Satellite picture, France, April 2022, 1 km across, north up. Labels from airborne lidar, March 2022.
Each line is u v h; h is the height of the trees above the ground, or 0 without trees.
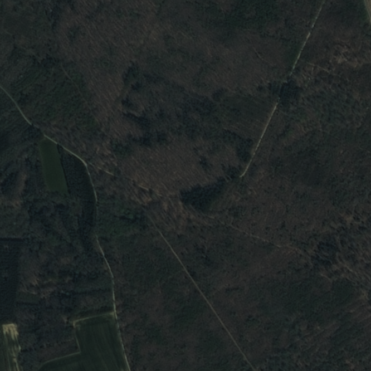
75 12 23
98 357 0
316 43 8
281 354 24
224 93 19
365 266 26
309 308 14
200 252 8
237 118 6
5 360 0
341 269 26
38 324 13
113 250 28
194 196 26
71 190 19
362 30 12
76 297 26
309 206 8
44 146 0
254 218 11
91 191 9
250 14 9
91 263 26
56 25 17
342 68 9
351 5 8
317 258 7
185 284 8
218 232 10
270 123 7
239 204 6
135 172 23
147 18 21
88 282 22
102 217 22
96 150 31
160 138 24
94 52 24
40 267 25
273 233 7
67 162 23
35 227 26
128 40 23
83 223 23
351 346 11
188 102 21
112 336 0
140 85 16
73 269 27
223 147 19
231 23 16
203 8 14
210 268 10
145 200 29
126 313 12
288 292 9
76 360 0
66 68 17
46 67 13
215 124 17
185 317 13
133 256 11
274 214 6
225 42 10
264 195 8
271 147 7
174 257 10
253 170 17
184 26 17
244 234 6
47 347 24
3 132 11
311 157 7
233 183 10
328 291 10
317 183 7
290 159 8
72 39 25
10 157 14
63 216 27
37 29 9
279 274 10
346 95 28
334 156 8
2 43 9
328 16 8
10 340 0
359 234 19
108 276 19
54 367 0
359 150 7
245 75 19
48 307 26
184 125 18
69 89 11
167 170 18
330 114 28
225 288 6
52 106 10
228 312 6
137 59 18
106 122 23
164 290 11
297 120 21
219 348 10
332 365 18
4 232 16
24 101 12
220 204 6
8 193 23
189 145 21
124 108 9
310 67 7
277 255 7
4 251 22
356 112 28
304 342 28
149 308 8
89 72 25
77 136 26
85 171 8
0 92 12
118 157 19
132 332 9
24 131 9
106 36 22
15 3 28
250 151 20
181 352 9
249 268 10
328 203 7
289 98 27
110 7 22
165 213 29
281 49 7
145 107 25
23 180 29
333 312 10
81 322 0
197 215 30
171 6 10
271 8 14
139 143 25
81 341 0
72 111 9
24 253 22
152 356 10
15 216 18
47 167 0
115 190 28
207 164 19
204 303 11
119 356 0
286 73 10
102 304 24
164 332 10
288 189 7
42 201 26
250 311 7
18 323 23
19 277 26
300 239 9
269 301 10
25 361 18
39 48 7
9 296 21
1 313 23
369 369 8
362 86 9
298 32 9
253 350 8
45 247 23
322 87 29
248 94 7
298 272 10
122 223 22
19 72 6
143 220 25
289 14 8
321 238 7
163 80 18
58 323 21
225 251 13
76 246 23
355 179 12
